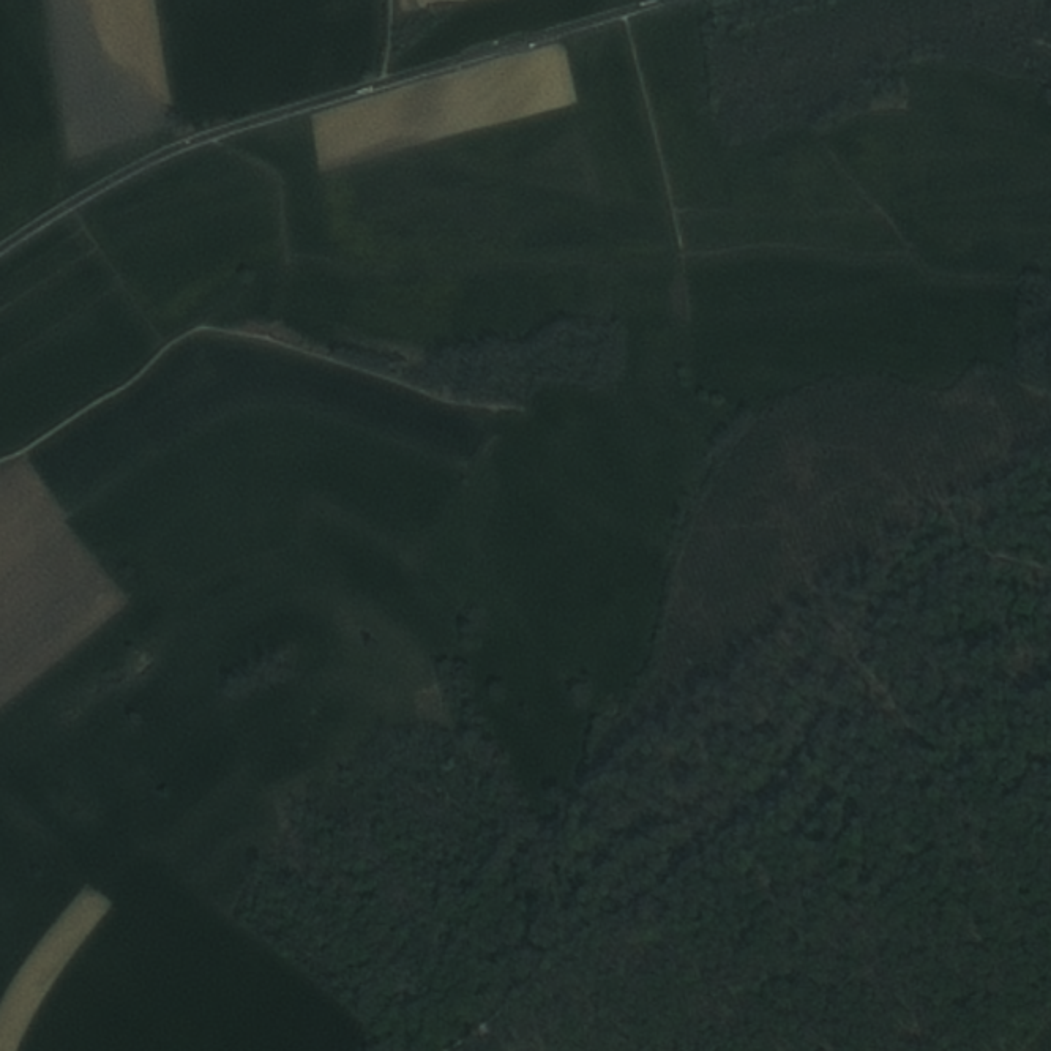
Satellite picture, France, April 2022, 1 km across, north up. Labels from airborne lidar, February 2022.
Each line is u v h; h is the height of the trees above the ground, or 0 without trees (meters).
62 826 0
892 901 31
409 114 0
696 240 0
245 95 0
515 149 0
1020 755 33
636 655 0
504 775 25
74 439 0
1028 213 0
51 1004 0
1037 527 30
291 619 0
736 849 29
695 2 0
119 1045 0
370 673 0
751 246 0
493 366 29
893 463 0
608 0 0
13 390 0
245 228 0
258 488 0
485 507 0
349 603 0
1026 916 28
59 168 0
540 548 0
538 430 0
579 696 20
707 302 0
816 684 33
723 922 28
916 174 0
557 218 0
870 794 33
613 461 0
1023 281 9
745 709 31
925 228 0
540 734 0
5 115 0
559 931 28
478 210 0
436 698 0
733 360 0
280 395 0
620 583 0
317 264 0
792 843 33
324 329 0
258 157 0
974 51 12
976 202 0
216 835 0
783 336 0
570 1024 33
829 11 16
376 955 23
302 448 0
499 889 26
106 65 0
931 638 31
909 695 32
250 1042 0
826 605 14
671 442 0
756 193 0
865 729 31
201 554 0
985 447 0
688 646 0
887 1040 31
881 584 32
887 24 16
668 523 0
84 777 0
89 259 0
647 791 34
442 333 0
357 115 0
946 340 0
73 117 0
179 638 0
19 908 0
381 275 0
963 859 34
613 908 18
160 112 0
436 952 25
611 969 33
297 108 0
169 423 0
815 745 24
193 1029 0
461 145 0
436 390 22
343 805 0
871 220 0
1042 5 14
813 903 27
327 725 0
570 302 0
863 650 30
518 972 29
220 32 0
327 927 27
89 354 0
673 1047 28
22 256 0
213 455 0
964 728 33
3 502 0
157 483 0
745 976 28
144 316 0
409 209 0
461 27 0
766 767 29
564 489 0
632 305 0
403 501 0
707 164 0
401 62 0
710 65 12
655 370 0
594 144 0
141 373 0
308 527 0
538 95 0
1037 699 36
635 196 0
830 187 0
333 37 0
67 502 0
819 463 8
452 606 0
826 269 0
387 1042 24
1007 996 28
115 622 0
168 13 0
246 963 0
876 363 0
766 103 14
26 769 0
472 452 0
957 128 0
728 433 15
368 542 0
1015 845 30
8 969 0
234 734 0
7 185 0
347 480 0
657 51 0
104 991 0
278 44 0
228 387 0
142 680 0
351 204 0
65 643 0
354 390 0
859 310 0
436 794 28
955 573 29
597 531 0
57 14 0
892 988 31
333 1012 0
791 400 10
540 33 0
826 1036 32
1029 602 26
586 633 0
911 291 0
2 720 0
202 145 0
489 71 0
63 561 0
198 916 0
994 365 8
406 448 0
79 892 0
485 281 0
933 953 31
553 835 29
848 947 30
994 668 33
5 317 0
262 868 26
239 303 0
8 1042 0
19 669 0
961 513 28
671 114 0
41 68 0
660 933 31
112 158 0
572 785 0
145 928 0
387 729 20
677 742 33
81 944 0
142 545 0
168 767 0
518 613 0
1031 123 0
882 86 29
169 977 0
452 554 0
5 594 0
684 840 28
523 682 0
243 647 0
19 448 0
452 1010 33
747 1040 28
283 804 0
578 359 26
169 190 0
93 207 0
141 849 0
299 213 0
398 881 27
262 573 0
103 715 0
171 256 0
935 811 31
